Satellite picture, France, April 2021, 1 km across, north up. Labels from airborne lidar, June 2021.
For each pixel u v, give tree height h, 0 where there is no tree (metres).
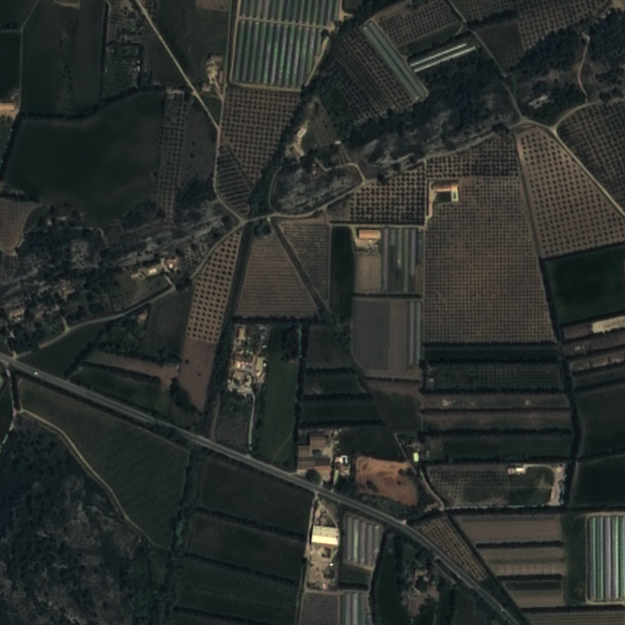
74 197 0
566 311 0
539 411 9
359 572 0
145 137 0
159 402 0
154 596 8
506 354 0
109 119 0
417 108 9
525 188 0
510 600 12
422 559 10
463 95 14
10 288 0
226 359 8
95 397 0
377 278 0
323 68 7
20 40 0
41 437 12
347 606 0
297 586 16
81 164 0
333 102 9
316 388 0
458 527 14
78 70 0
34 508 12
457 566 0
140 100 0
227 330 10
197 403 0
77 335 0
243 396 7
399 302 0
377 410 0
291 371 0
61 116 10
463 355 0
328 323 16
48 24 0
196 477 12
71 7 0
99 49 0
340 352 0
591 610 10
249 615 0
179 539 12
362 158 0
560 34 9
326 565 0
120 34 6
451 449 0
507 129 9
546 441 0
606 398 0
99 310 12
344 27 11
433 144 0
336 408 0
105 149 0
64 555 15
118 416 13
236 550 0
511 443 0
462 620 0
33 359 0
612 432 0
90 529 0
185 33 0
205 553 0
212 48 0
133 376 17
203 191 7
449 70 10
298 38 0
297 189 0
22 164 0
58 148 0
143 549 9
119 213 0
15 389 13
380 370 0
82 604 8
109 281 12
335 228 0
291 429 0
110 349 14
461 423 0
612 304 0
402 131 8
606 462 0
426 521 18
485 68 14
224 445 0
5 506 8
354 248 0
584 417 0
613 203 0
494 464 17
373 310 0
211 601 0
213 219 0
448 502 12
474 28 16
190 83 0
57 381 0
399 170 15
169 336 0
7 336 18
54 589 0
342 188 0
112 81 0
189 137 0
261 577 15
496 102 0
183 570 17
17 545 11
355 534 0
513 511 13
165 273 6
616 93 12
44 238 12
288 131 9
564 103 20
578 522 0
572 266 0
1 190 0
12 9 0
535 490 0
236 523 14
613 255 0
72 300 17
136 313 6
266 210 9
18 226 0
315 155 11
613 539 0
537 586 0
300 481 0
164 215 7
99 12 0
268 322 15
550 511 17
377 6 11
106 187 0
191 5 0
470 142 0
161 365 8
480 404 0
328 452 0
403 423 0
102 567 8
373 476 0
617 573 0
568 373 18
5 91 0
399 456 6
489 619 9
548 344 11
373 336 0
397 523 0
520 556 0
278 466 0
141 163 0
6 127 0
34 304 10
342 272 0
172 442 15
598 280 0
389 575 0
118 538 0
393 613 0
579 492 0
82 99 0
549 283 15
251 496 0
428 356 0
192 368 0
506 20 15
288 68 0
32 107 0
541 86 12
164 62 0
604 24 10
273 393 0
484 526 0
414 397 0
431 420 0
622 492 0
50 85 0
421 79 0
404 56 0
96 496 0
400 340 0
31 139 0
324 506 0
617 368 9
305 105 12
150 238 0
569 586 0
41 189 0
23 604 0
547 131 0
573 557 0
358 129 8
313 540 0
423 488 6
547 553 0
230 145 0
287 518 0
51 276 11
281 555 0
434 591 0
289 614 0
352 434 0
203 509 6
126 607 0
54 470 13
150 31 0
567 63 11
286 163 10
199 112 0
